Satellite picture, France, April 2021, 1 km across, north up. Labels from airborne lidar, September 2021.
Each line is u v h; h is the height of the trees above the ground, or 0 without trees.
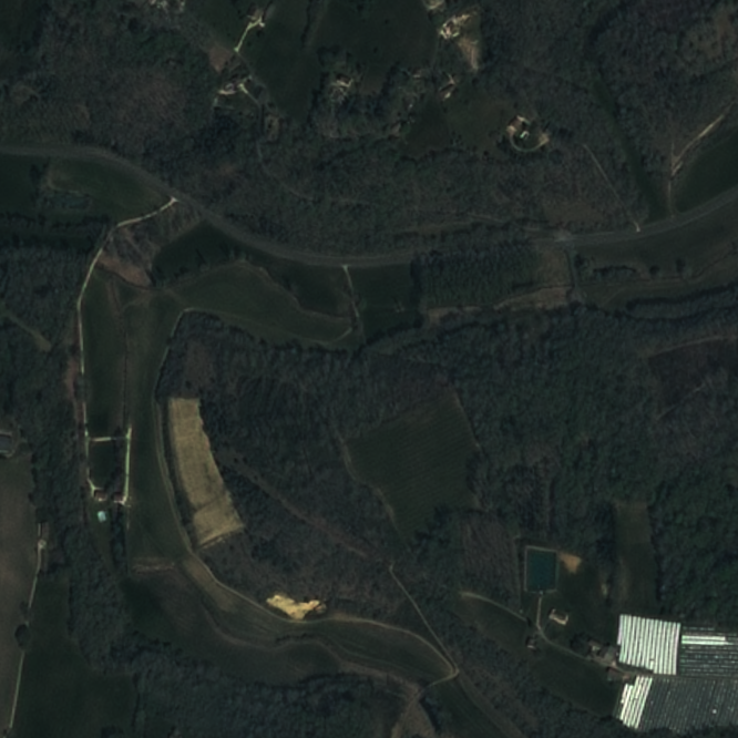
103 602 21
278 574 7
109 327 0
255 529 14
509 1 24
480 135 0
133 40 15
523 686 18
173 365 10
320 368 23
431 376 6
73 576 20
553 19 23
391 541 13
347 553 15
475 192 20
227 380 17
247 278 0
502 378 24
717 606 26
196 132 26
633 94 19
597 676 0
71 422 8
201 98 17
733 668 0
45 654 0
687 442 19
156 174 16
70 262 23
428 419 0
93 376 0
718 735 17
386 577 12
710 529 20
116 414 0
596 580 0
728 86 17
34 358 23
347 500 12
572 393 18
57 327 17
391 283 0
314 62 0
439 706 24
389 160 26
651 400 12
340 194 23
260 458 8
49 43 16
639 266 0
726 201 0
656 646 0
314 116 11
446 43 12
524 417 22
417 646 0
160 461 0
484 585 18
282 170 16
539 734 6
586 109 22
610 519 24
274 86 0
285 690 10
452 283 36
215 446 8
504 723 0
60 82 25
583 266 17
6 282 18
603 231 7
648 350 20
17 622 0
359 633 0
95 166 0
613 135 15
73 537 19
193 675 11
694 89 9
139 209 0
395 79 16
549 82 22
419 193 21
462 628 18
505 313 11
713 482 25
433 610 21
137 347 0
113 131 17
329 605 11
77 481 13
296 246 19
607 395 24
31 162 0
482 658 18
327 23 0
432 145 0
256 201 16
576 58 25
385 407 18
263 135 8
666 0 9
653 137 7
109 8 15
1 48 17
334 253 20
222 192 0
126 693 0
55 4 18
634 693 0
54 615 0
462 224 16
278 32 0
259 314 0
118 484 15
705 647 0
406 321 0
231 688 9
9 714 0
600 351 19
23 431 18
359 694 13
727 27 0
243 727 16
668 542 31
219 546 0
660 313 19
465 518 15
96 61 21
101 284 0
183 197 21
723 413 23
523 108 23
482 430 21
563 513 21
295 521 15
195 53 16
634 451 20
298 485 10
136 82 18
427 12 0
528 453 26
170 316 0
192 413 0
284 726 20
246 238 0
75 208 8
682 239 0
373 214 27
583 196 14
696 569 26
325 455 9
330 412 28
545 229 8
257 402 8
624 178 16
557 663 0
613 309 0
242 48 0
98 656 25
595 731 18
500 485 23
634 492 20
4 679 0
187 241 0
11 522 0
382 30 0
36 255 21
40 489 7
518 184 18
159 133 21
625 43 11
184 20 18
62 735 0
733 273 0
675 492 23
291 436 8
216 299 0
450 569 23
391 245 21
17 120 22
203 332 9
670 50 16
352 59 12
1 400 0
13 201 0
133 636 10
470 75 13
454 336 15
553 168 23
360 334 14
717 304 21
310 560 13
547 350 7
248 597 0
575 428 21
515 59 20
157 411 0
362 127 24
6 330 7
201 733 6
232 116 8
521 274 33
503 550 22
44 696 0
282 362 27
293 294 26
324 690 13
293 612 0
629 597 0
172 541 0
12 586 0
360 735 20
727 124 13
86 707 0
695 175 0
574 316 14
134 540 0
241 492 15
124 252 20
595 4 26
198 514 0
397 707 0
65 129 26
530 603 0
